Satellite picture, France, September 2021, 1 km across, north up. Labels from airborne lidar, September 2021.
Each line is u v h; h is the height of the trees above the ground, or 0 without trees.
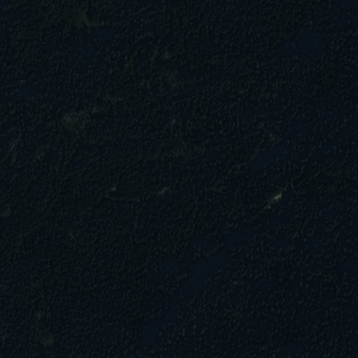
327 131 29
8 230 32
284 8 34
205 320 22
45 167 11
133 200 28
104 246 21
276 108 11
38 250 23
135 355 10
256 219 19
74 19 22
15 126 26
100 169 26
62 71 36
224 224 34
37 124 27
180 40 28
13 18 7
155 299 21
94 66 17
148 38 21
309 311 28
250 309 29
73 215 27
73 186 28
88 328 32
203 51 20
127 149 27
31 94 33
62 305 31
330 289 27
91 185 21
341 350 36
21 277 31
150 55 36
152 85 13
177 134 23
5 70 15
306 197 10
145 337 9
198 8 37
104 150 38
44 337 0
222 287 34
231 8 29
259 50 32
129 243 22
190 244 20
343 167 7
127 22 39
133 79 18
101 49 27
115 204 10
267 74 22
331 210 20
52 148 35
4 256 29
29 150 18
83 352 27
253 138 30
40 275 26
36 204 34
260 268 38
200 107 24
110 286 18
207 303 33
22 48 19
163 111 39
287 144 39
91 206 16
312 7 38
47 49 21
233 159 21
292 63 23
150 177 29
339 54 27
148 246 23
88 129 14
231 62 37
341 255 21
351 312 22
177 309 36
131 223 24
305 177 17
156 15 33
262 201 13
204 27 31
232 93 24
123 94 30
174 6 30
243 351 27
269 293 15
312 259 25
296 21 19
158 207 26
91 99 31
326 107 15
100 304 22
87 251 16
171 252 27
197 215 23
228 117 37
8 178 30
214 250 29
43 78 31
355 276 22
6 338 23
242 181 19
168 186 26
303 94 35
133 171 24
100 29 0
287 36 29
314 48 34
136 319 20
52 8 22
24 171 23
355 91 13
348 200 39
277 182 27
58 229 20
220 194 12
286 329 21
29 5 31
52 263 20
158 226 30
